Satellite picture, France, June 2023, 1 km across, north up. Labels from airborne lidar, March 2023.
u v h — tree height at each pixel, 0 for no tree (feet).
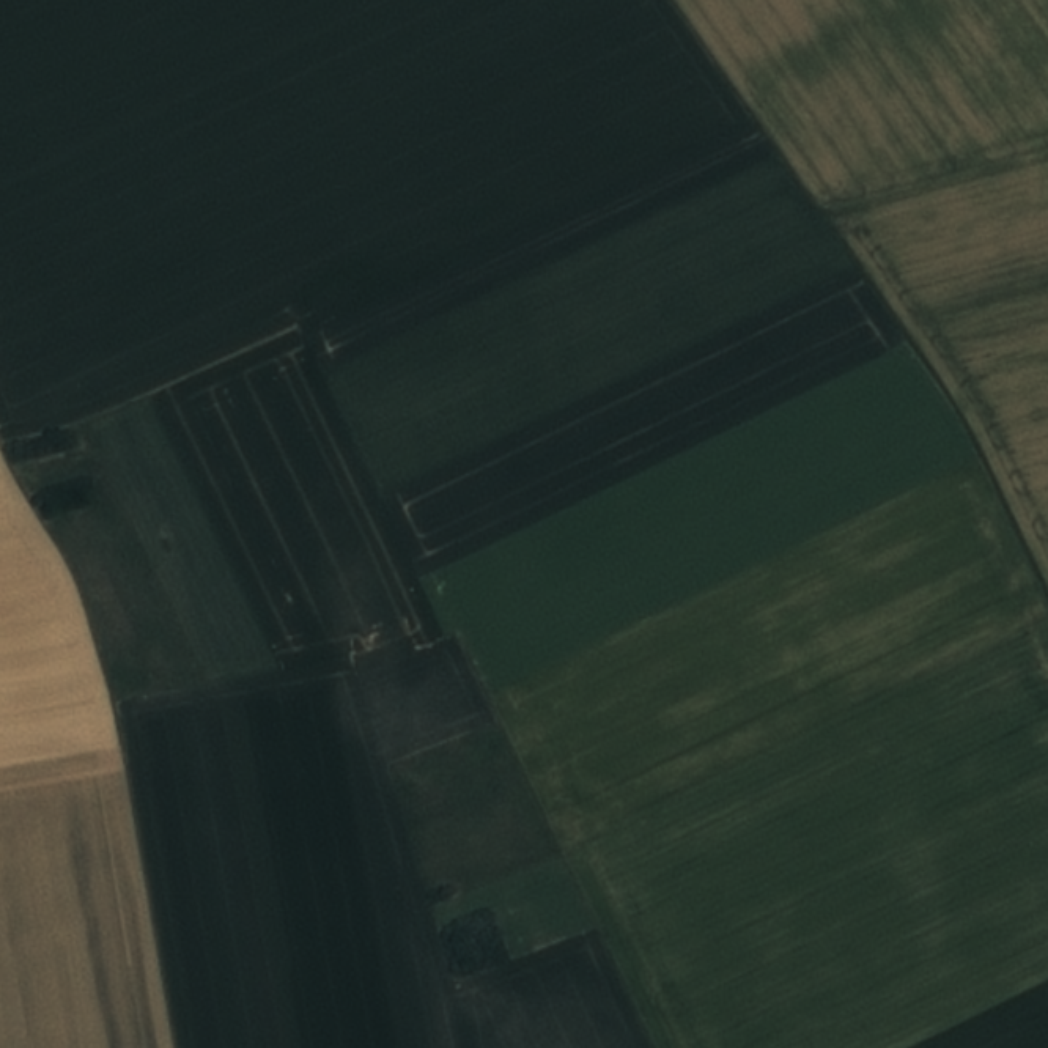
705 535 0
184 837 0
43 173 0
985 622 0
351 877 0
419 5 0
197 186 0
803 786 0
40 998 0
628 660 0
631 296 0
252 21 0
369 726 0
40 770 0
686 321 0
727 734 0
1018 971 0
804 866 0
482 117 0
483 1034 0
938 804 0
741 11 0
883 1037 0
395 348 0
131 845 0
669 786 0
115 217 0
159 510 0
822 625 0
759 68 0
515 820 0
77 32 0
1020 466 0
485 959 40
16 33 0
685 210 0
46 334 0
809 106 0
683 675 0
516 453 0
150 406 0
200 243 0
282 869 0
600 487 0
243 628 0
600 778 0
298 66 0
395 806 0
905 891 0
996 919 0
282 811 0
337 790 0
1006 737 0
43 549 0
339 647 0
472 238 0
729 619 0
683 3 0
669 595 0
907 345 0
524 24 0
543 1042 0
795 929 0
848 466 0
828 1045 0
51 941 0
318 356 0
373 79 0
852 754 0
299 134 0
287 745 0
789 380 0
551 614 0
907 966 0
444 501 0
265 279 0
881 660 0
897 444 0
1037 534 0
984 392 0
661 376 0
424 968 0
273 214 0
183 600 0
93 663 0
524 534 0
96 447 0
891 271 0
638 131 0
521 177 0
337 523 0
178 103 0
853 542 0
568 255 0
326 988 0
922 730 0
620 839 0
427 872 0
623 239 0
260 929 0
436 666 0
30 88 0
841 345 0
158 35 0
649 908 0
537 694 0
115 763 0
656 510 0
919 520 0
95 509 0
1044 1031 0
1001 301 0
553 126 0
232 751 0
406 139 0
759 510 0
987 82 0
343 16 0
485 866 0
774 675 0
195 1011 0
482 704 0
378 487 0
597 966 0
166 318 0
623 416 0
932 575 0
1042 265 0
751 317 0
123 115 0
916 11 0
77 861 0
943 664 0
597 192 0
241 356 0
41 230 0
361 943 0
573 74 0
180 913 0
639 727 0
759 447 0
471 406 0
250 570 0
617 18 0
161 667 0
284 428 0
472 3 0
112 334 0
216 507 0
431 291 0
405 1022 0
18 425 0
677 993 0
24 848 0
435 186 0
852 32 0
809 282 0
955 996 0
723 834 0
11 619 0
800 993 0
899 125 0
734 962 0
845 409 0
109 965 0
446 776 0
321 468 0
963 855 0
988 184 0
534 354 0
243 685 0
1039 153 0
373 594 0
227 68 0
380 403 0
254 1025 0
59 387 0
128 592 0
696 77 0
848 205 0
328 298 0
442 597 0
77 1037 0
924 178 0
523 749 0
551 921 0
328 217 0
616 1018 0
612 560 0
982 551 0
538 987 0
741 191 0
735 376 0
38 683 0
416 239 0
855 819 0
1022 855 0
